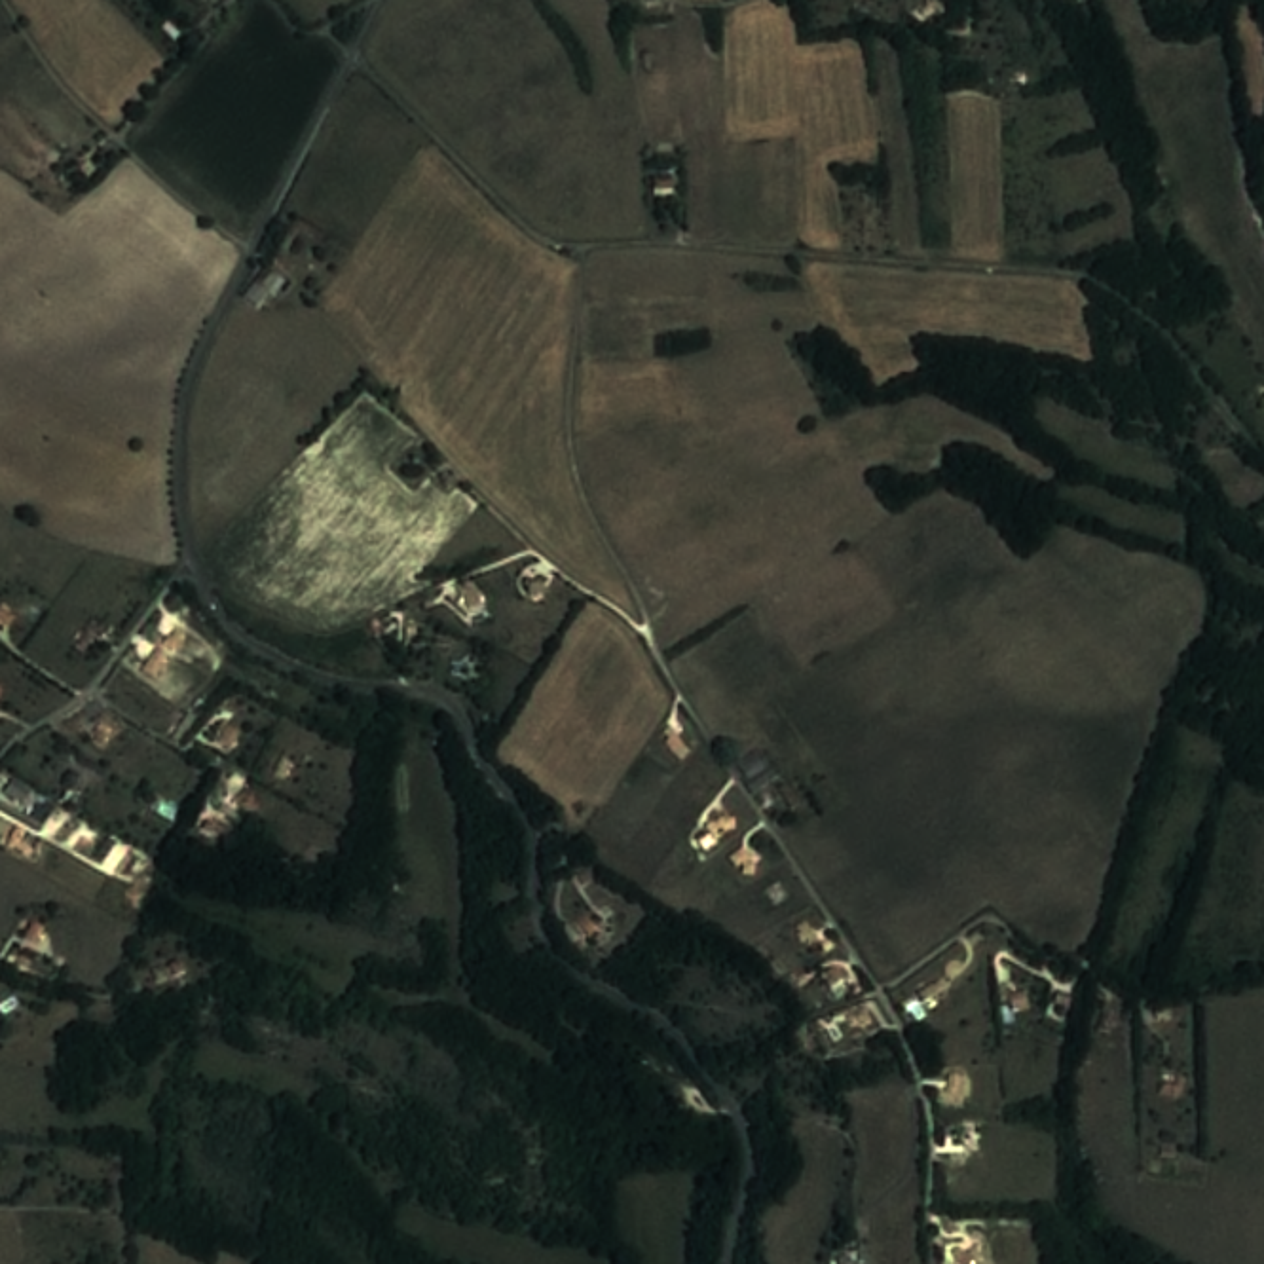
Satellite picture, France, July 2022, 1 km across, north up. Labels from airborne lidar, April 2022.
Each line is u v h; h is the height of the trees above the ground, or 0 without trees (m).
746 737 0
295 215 8
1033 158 0
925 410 0
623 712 0
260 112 0
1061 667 0
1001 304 0
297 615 0
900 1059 10
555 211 0
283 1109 13
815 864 0
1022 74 0
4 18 0
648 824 0
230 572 0
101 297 0
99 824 5
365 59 0
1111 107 17
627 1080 8
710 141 0
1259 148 14
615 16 12
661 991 13
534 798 12
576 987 13
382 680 0
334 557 0
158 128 0
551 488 0
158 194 0
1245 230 0
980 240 0
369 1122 8
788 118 0
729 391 0
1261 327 0
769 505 0
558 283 0
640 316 0
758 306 0
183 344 0
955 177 0
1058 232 10
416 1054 7
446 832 0
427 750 0
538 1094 11
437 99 0
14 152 0
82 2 0
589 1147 15
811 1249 0
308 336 0
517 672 0
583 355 0
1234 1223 0
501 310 0
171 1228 12
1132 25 0
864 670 0
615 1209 11
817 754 0
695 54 0
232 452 0
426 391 0
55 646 0
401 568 0
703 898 0
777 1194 14
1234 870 0
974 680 0
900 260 0
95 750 0
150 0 9
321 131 0
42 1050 0
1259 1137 0
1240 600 13
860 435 0
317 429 6
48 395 0
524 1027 14
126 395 0
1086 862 0
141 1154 14
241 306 0
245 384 0
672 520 0
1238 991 11
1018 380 8
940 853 0
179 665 0
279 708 6
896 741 0
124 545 0
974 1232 0
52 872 0
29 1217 0
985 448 10
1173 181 0
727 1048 7
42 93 0
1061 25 11
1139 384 10
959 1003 0
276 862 13
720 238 0
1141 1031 7
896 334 0
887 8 0
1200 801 0
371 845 9
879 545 0
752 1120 14
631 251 0
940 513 0
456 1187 8
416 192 0
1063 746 0
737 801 0
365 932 0
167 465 0
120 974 9
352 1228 7
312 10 0
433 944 12
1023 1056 0
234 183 0
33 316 0
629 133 0
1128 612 0
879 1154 0
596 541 0
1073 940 0
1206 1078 9
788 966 0
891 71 0
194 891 15
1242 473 0
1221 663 11
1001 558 0
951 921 0
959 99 0
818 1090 7
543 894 10
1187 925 11
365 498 0
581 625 0
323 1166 11
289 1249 9
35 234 0
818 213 0
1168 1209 0
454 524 0
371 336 0
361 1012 12
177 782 0
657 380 0
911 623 0
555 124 0
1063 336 0
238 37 0
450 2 0
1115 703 0
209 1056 0
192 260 0
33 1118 0
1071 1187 8
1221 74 0
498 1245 0
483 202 0
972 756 0
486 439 0
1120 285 10
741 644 0
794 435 0
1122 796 0
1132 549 7
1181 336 7
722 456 0
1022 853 0
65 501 0
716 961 6
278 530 0
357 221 0
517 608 0
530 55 0
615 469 0
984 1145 0
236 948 12
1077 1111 12
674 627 0
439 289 0
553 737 0
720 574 0
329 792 0
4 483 0
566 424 0
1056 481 7
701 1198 6
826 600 0
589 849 13
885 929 0
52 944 0
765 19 0
